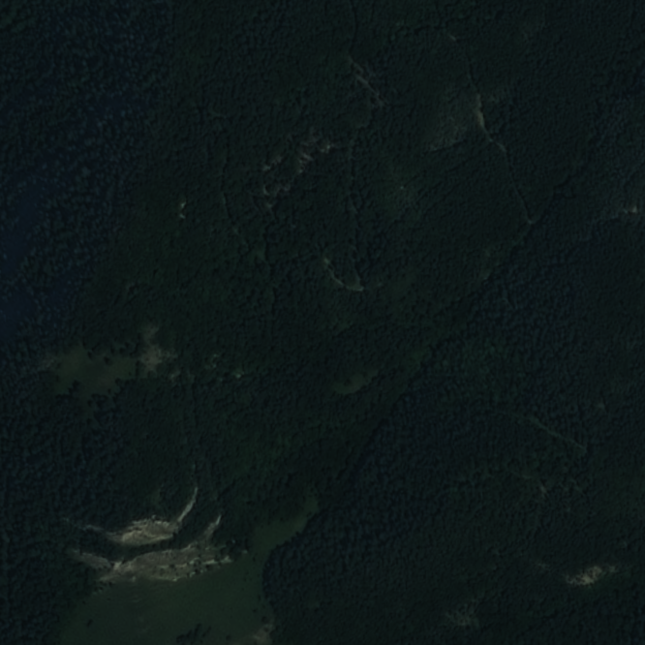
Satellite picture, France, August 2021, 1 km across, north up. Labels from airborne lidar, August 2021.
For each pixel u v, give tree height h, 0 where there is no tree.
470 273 19
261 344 26
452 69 16
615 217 12
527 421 8
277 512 19
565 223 24
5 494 18
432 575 14
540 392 17
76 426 25
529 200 20
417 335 24
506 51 23
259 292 20
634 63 16
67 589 24
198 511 17
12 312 9
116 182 25
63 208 25
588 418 26
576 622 35
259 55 28
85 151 26
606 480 14
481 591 15
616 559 6
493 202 21
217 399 20
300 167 18
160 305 23
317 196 28
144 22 17
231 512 20
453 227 23
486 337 8
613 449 29
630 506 14
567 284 28
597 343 26
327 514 18
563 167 26
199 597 0
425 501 24
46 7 15
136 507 10
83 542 14
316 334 15
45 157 25
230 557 9
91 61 16
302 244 26
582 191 21
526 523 21
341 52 23
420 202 13
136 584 0
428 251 23
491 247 11
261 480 29
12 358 14
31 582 17
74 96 20
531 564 15
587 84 25
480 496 12
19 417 10
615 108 29
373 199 25
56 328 17
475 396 7
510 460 9
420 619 22
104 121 15
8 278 16
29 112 24
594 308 26
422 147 11
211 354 16
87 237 18
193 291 26
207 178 22
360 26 20
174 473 16
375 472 31
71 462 17
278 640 13
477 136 18
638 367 24
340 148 26
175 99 22
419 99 25
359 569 18
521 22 22
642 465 14
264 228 24
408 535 17
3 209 16
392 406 14
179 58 20
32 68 23
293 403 24
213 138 25
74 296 20
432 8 20
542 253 25
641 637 29
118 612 0
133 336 14
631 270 22
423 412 19
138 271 18
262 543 0
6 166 25
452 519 15
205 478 18
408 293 7
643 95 32
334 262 9
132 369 0
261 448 23
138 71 24
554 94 22
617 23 26
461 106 14
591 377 22
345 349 24
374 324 18
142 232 12
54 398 16
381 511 19
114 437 11
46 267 22
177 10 16
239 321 22
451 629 11
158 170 26
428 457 17
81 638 0
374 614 19
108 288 25
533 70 24
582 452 12
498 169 27
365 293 14
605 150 23
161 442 21
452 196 22
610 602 31
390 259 27
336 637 16
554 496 25
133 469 17
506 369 12
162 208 19
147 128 20
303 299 15
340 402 14
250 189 21
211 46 24
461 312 19
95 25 10
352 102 13
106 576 0
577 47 24
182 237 24
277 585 23
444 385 11
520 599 21
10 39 17
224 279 24
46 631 20
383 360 19
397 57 26
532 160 24
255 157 21
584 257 27
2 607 23
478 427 15
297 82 18
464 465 11
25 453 22
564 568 19
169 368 8
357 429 21
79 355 0
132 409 19
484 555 19
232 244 15
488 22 24
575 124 26
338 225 25
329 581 17
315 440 20
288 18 29
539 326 26
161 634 0
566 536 23
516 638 30
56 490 22
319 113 22
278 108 28
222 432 26
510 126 28
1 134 28
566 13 23
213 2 21
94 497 25
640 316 22
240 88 26
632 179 13
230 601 0
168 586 0
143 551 8
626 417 23
